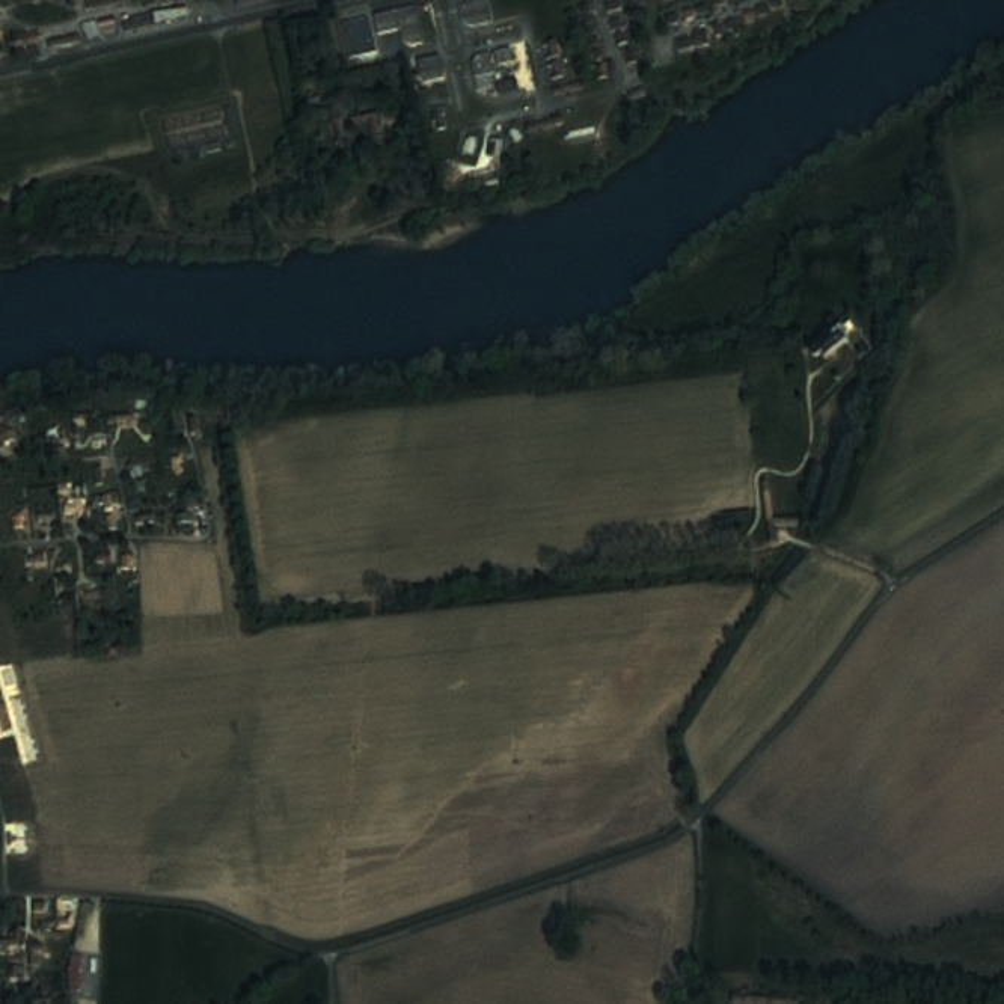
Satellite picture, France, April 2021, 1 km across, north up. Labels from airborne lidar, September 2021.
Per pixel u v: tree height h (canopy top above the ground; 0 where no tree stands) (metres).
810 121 0
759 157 0
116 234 8
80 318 0
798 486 0
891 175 11
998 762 0
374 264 0
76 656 9
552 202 9
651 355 31
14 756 0
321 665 0
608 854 0
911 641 0
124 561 0
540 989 0
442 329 0
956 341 0
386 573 0
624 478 0
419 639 0
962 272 0
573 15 9
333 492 0
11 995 9
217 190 6
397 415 0
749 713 0
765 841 0
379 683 0
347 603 12
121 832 0
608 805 0
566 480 0
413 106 16
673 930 0
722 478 0
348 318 0
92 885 0
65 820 0
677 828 0
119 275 0
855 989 28
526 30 0
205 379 20
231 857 0
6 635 0
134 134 0
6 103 0
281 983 16
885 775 0
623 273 0
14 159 0
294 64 15
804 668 0
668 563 34
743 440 0
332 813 0
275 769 0
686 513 0
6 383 14
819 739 0
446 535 0
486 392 9
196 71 0
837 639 0
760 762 0
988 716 0
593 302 0
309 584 0
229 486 10
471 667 0
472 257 0
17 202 15
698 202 0
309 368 20
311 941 0
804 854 0
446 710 0
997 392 0
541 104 0
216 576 0
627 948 0
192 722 0
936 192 13
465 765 0
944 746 0
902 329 23
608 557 35
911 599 0
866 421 19
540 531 0
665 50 0
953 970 0
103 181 7
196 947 0
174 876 0
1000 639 0
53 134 0
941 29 0
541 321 0
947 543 0
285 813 0
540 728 0
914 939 14
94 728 0
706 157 0
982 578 0
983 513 0
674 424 0
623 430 0
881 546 0
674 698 0
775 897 0
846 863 0
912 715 0
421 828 0
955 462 0
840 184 11
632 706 0
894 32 0
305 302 0
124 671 0
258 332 0
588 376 8
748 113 0
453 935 0
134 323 0
